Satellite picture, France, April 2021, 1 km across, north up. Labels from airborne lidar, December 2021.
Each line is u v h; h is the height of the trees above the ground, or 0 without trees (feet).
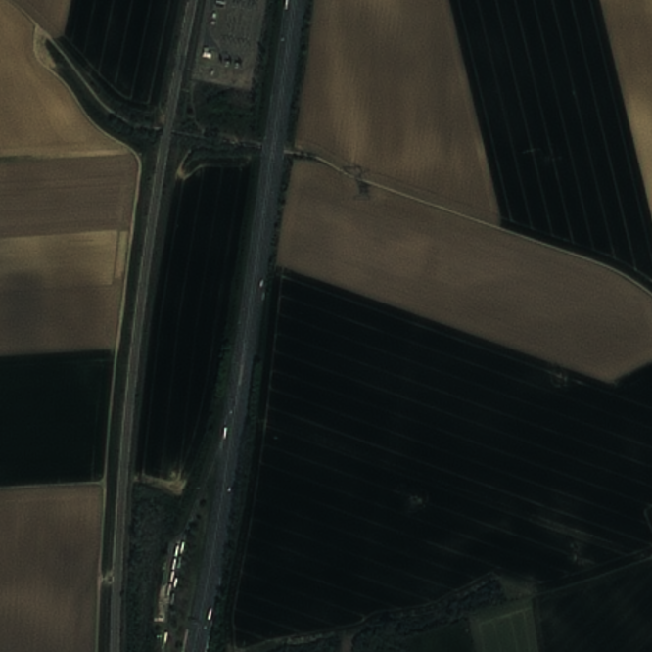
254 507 0
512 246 0
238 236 0
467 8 0
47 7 0
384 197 0
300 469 0
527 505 0
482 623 0
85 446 0
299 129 0
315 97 0
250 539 0
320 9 0
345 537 0
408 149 0
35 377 0
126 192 0
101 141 0
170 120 0
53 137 0
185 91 0
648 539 0
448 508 0
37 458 0
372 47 0
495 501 0
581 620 0
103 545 0
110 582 0
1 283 0
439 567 0
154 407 0
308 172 0
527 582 0
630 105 0
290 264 0
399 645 27
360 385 0
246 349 0
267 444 0
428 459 0
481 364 0
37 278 0
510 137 0
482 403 0
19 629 0
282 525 0
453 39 0
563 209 0
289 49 0
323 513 0
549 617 0
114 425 0
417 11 0
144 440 0
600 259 0
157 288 0
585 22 0
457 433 0
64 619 0
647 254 0
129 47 0
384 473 0
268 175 0
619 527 0
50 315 0
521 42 0
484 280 0
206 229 0
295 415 0
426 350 0
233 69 0
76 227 0
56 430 0
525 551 0
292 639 0
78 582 0
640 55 0
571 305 0
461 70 0
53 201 0
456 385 0
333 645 38
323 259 0
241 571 0
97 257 0
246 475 42
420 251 0
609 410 0
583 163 0
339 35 0
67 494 0
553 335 0
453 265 0
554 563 0
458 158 0
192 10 0
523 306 0
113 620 0
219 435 0
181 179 0
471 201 0
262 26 0
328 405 0
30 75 0
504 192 0
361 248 0
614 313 0
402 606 0
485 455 0
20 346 0
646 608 0
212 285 0
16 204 0
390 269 0
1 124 0
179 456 0
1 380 0
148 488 25
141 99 0
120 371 0
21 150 0
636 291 0
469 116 0
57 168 0
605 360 0
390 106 0
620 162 0
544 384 0
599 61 0
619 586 0
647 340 0
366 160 0
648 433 0
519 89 0
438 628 20
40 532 0
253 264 0
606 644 0
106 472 0
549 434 0
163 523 46
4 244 0
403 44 0
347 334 0
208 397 0
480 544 0
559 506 0
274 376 0
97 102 0
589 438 0
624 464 0
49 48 0
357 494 0
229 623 0
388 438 0
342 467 0
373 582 0
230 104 37
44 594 0
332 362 0
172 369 0
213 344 0
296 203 0
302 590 0
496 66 0
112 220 0
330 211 0
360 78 0
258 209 0
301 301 0
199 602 0
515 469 0
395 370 0
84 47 0
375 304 0
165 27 0
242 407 0
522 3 0
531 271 0
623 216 0
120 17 0
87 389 0
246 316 0
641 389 0
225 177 0
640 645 0
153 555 65
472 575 0
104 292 0
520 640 0
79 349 0
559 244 0
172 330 0
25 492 0
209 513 0
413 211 0
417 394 0
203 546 0
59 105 0
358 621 0
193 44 0
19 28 0
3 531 0
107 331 0
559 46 0
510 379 0
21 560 0
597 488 0
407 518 0
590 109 0
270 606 0
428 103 0
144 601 41
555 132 0
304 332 0
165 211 0
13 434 0
